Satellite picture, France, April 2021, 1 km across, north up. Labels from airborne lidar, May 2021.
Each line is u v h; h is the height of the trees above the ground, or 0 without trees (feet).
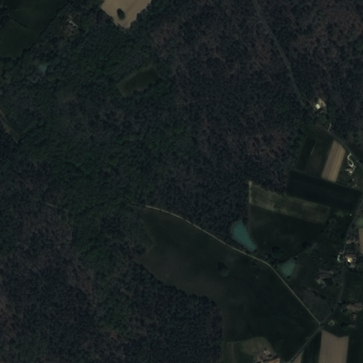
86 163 75
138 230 61
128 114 50
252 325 0
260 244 0
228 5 26
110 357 31
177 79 56
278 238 0
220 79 84
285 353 0
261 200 0
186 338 75
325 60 48
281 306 0
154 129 69
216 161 56
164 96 63
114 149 73
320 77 81
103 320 72
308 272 0
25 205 64
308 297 57
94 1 42
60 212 61
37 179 64
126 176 47
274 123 74
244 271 0
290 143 37
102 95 84
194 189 32
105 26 44
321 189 0
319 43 64
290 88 43
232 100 73
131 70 51
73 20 0
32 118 67
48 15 0
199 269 0
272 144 56
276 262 54
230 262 0
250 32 70
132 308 58
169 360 77
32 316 72
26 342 61
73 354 77
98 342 69
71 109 66
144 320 24
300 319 0
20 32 0
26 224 69
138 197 43
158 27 67
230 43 76
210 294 0
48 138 63
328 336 0
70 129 54
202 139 50
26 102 52
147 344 74
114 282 44
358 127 51
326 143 0
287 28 56
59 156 64
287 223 0
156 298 68
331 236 34
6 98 60
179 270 0
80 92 59
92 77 41
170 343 89
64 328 64
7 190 50
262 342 0
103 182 64
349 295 0
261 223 0
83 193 91
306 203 0
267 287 0
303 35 54
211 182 72
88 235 82
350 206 0
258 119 63
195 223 32
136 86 0
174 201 37
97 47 63
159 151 57
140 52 44
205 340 53
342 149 0
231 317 0
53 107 65
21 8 0
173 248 0
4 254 64
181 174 26
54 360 45
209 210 49
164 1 68
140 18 33
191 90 71
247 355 0
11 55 0
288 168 28
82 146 58
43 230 38
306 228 0
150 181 73
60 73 70
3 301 40
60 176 54
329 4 33
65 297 64
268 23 22
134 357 73
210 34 28
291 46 40
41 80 62
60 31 0
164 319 72
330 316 0
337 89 85
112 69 70
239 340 21
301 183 0
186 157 50
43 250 29
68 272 56
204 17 52
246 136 75
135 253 64
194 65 77
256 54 77
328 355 0
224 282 0
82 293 71
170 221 0
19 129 57
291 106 67
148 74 0
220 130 81
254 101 62
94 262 71
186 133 53
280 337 0
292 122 63
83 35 42
